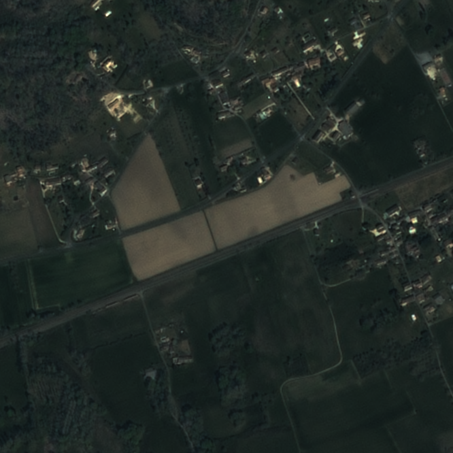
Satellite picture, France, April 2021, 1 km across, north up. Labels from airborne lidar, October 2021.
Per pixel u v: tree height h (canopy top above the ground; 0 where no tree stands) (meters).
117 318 0
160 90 5
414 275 0
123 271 0
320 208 0
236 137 0
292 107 6
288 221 0
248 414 0
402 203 0
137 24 11
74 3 20
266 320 0
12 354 0
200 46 8
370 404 0
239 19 27
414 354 11
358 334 0
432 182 0
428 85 0
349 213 0
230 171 15
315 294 0
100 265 0
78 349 0
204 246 0
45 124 17
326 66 14
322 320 0
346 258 6
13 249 0
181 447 0
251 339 0
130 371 0
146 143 0
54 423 8
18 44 10
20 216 0
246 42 12
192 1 18
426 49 0
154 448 0
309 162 0
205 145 0
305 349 0
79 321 0
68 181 11
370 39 0
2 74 23
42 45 9
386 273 0
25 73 17
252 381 0
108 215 0
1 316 0
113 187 0
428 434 0
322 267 8
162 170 0
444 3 0
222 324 0
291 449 0
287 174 0
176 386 0
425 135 0
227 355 19
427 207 0
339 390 0
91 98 18
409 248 0
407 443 0
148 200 0
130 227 0
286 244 0
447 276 0
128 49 16
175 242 0
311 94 7
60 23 13
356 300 0
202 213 0
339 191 0
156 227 0
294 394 0
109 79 10
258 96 0
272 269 0
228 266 0
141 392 0
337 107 14
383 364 6
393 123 0
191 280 0
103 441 0
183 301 0
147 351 0
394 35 0
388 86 0
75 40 23
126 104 14
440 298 0
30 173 8
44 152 18
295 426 0
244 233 0
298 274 0
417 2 0
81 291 0
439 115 0
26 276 0
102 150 0
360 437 0
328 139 0
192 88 14
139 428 15
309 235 0
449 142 0
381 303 11
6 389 0
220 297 0
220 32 21
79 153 0
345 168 0
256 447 0
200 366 0
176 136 7
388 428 0
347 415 0
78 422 20
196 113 0
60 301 0
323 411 0
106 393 0
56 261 0
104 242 0
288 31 0
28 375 37
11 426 0
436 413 0
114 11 0
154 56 11
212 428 0
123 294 0
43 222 0
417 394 0
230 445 0
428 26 0
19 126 16
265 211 0
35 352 0
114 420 0
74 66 10
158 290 0
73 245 0
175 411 35
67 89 14
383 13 0
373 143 0
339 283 0
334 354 0
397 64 0
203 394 0
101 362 0
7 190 0
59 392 14
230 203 0
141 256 0
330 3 11
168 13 20
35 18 12
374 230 0
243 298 0
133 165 0
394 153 0
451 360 0
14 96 9
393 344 10
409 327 0
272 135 0
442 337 0
